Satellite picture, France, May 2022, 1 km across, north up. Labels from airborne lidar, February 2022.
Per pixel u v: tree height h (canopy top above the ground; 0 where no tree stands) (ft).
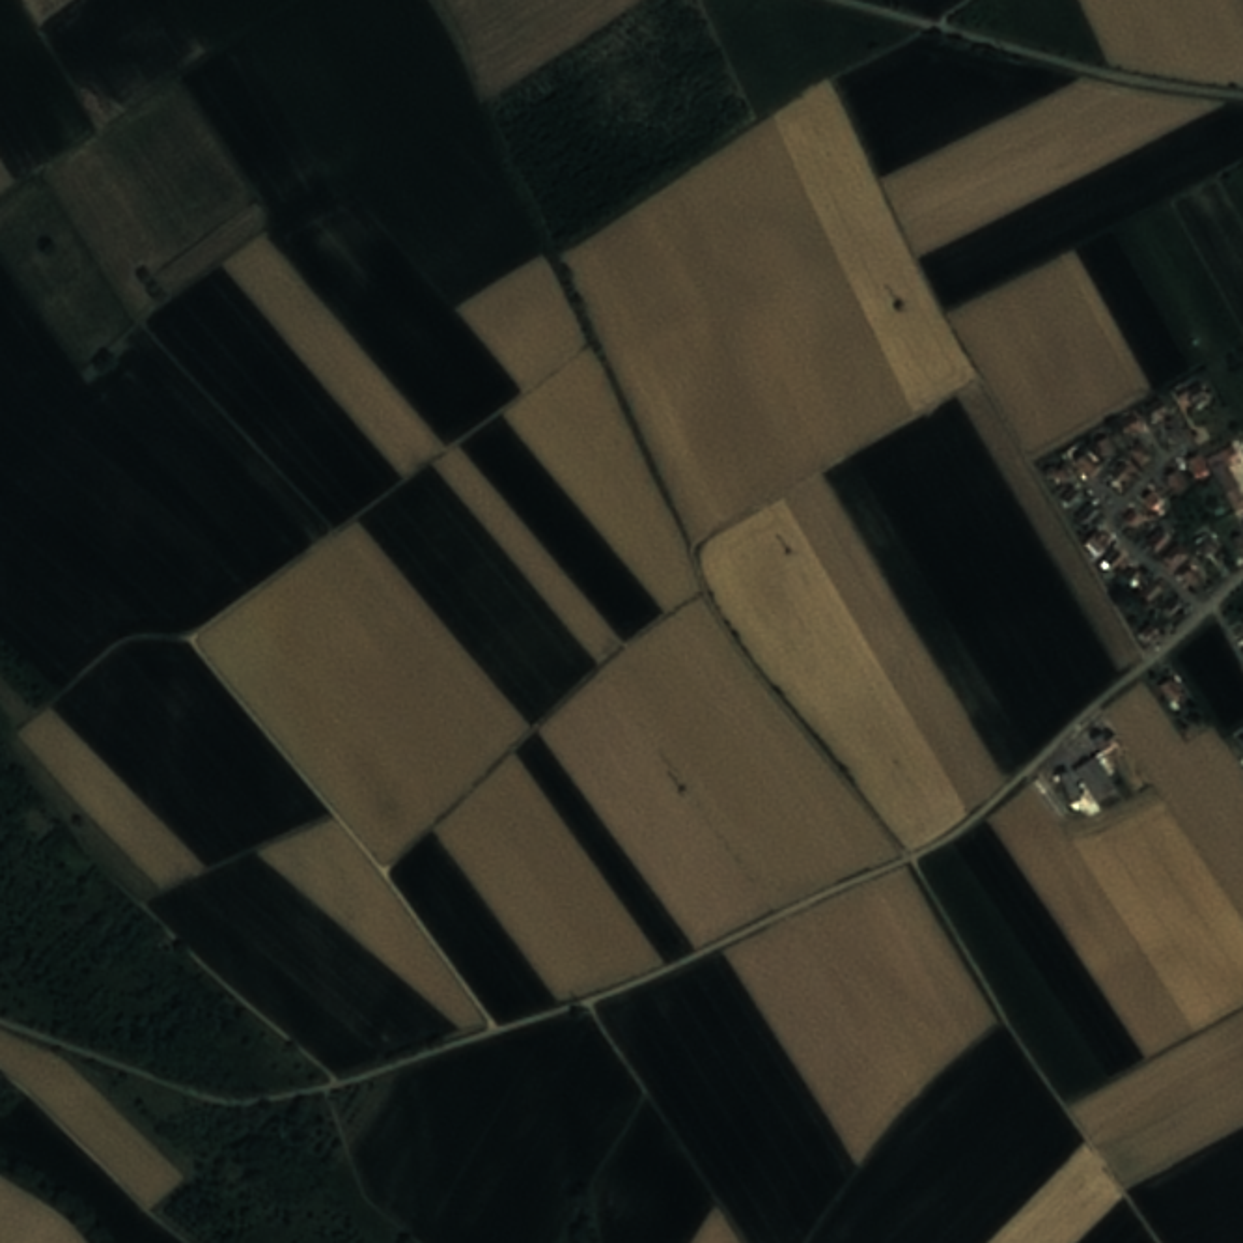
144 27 0
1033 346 0
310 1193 20
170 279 0
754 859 0
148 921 22
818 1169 0
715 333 0
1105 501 0
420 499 0
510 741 0
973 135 0
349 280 0
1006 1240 0
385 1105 0
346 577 0
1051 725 0
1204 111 0
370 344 0
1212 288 0
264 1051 0
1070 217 0
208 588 0
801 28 0
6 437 0
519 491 0
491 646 0
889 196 0
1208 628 0
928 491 0
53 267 0
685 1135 0
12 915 18
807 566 0
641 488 0
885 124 0
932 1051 0
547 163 0
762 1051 0
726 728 0
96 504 0
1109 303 0
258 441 0
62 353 0
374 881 0
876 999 0
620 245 0
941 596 0
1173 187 0
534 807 0
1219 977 0
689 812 0
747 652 0
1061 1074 0
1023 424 0
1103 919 0
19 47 0
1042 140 0
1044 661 0
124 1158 0
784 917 0
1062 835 0
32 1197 0
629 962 0
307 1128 36
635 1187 0
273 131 0
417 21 0
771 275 0
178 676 0
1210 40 0
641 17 0
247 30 0
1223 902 0
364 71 0
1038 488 0
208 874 0
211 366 0
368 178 0
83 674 0
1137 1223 0
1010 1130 0
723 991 0
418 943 0
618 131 0
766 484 0
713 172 0
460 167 0
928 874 0
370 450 0
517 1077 0
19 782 26
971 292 0
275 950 0
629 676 0
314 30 0
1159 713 0
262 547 0
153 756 0
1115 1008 0
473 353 0
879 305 0
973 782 0
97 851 0
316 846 0
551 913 0
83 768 0
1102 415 0
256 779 0
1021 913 0
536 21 0
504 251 0
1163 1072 0
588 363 0
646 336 0
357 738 0
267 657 0
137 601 0
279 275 0
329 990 0
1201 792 0
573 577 0
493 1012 0
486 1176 0
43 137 0
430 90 0
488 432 0
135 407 0
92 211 0
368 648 0
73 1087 0
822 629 0
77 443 0
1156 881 0
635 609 0
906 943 0
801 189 0
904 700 0
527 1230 0
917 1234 0
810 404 0
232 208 0
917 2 0
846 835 0
